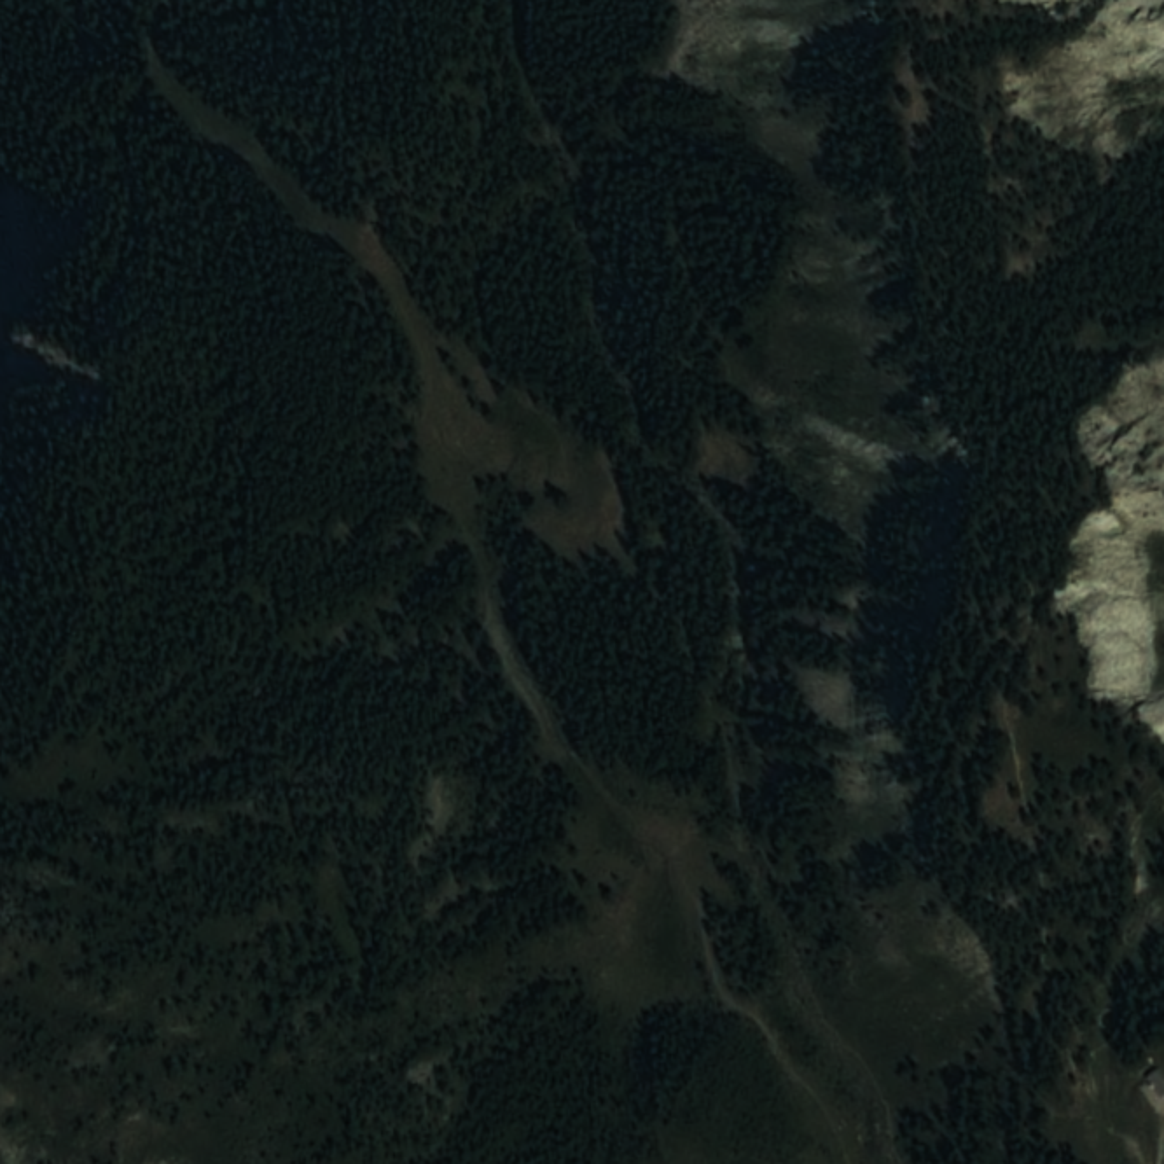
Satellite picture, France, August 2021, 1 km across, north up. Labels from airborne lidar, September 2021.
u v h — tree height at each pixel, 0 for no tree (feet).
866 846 0
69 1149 0
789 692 37
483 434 0
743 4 0
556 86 79
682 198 79
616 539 0
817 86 31
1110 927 67
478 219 49
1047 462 57
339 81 37
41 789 0
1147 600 0
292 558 76
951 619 40
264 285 56
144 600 61
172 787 21
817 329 0
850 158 35
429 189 75
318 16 32
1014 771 0
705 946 0
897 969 0
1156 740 0
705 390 80
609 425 73
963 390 52
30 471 55
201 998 27
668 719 60
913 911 0
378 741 51
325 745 39
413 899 46
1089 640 0
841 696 0
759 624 87
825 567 56
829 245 0
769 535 80
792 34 0
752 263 73
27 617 44
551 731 0
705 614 64
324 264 75
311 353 66
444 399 0
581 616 54
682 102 44
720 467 0
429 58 58
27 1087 0
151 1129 0
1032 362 68
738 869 35
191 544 65
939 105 61
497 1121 31
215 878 24
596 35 54
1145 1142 0
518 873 57
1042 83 0
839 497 0
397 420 65
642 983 0
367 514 76
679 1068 34
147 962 41
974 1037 0
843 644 26
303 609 77
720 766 44
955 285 55
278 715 52
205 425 61
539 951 0
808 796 54
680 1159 0
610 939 0
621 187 64
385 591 44
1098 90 0
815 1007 0
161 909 29
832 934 20
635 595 59
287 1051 24
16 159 73
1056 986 50
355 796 41
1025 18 35
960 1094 79
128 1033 28
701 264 83
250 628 58
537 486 0
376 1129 24
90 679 54
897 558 25
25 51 77
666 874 0
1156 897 0
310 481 63
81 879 55
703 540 66
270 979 59
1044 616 45
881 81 20
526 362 54
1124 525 0
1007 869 60
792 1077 0
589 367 38
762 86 0
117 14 57
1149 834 0
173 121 65
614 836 0
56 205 56
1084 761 0
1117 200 52
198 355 53
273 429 65
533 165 68
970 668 66
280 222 82
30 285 27
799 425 0
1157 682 0
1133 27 0
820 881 56
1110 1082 0
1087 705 55
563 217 40
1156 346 0
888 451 0
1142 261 72
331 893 0
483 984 0
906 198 26
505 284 61
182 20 38
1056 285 70
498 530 27
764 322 0
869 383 0
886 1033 0
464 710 59
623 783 0
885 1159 0
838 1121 0
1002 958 24
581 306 54
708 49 0
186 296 52
